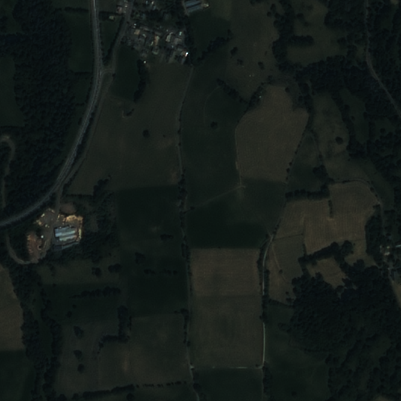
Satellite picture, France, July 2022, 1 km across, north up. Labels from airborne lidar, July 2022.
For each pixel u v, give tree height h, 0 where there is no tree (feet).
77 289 0
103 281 0
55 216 0
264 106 0
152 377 0
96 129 0
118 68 0
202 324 0
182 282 0
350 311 73
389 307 78
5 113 0
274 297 0
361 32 25
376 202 0
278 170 0
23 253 41
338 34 0
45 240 0
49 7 41
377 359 0
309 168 0
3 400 0
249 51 0
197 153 0
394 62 52
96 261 59
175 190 0
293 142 0
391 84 83
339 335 40
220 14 0
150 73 0
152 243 0
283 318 0
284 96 0
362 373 62
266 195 0
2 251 24
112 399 0
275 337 0
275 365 0
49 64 51
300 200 0
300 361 0
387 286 70
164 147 0
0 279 0
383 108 69
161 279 0
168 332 0
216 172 0
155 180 0
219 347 0
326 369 0
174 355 0
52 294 0
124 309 58
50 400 60
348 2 79
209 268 0
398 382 56
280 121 0
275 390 0
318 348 31
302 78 77
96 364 0
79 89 0
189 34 52
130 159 0
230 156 0
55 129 63
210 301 0
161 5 0
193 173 0
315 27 0
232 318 0
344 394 68
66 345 0
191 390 0
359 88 90
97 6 0
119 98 0
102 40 22
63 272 0
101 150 0
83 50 0
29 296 35
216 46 68
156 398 0
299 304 50
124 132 0
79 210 23
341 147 0
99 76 0
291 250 0
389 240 56
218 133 0
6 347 0
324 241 0
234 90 24
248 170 0
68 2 0
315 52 0
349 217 0
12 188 52
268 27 0
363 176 0
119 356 0
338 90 58
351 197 0
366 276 72
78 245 20
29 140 45
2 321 0
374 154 61
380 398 0
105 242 22
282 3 55
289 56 0
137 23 21
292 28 36
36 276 62
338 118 0
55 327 73
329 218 0
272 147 0
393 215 59
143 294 0
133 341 0
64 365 0
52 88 84
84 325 0
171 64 0
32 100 54
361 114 0
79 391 0
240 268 0
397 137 68
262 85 22
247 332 0
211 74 0
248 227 0
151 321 0
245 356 0
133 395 37
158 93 0
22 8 91
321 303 82
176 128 0
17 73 49
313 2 0
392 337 75
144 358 0
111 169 0
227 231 0
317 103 0
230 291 0
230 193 0
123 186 0
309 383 0
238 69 0
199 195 0
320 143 0
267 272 31
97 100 0
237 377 0
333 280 0
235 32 0
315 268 0
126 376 0
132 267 0
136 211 0
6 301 0
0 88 0
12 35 0
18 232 28
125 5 0
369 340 68
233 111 0
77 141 0
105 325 0
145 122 0
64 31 67
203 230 0
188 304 0
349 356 54
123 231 0
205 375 0
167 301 0
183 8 34
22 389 0
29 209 0
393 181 82
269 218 0
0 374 0
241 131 0
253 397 0
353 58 31
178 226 0
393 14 0
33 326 59
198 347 0
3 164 59
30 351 57
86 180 0
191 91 0
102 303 0
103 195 28
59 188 0
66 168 0
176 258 0
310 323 33
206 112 0
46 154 22
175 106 0
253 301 0
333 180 41
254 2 37
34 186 95
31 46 85
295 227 0
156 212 0
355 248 0
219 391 0
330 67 68
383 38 61
